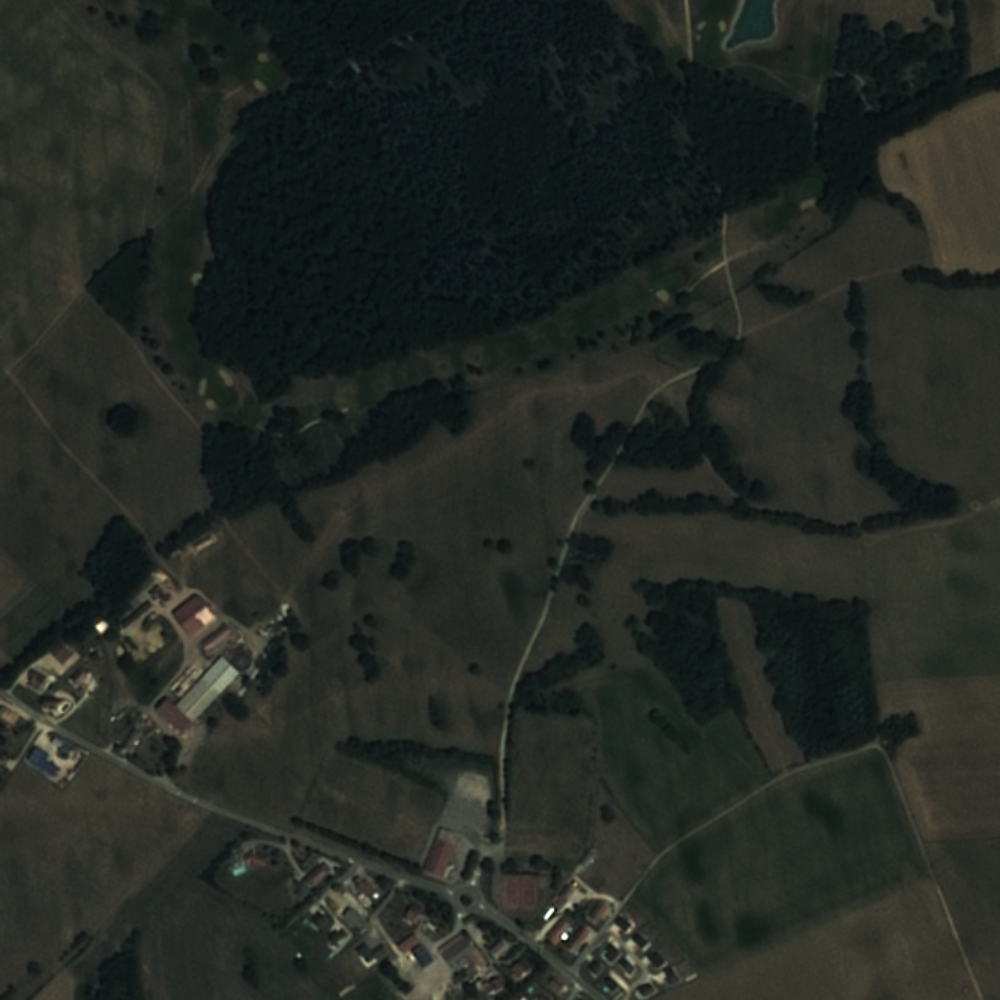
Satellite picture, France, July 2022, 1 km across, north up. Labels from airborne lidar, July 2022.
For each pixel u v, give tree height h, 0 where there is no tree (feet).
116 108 0
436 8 63
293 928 0
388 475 0
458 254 94
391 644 0
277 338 44
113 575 55
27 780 0
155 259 52
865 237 0
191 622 0
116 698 0
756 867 0
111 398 0
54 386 0
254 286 83
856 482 0
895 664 0
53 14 0
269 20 81
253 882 0
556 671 47
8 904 0
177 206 0
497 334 51
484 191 44
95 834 0
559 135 34
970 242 0
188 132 0
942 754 0
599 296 0
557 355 0
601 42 73
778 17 0
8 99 0
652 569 0
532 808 0
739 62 0
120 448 0
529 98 36
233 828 0
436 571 0
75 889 0
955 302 0
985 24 0
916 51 44
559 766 0
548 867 35
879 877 0
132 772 0
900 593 0
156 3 0
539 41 73
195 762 0
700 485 0
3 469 0
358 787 0
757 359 0
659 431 23
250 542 0
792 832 0
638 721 0
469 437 0
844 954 0
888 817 0
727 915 0
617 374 0
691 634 45
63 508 0
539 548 0
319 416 0
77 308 0
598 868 0
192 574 0
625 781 0
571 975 0
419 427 59
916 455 0
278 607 0
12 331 0
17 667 29
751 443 0
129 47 0
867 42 64
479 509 0
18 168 0
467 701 0
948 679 0
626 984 0
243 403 0
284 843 26
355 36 51
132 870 0
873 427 37
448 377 0
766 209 0
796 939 0
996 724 0
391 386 0
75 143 0
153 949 0
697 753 0
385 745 30
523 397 0
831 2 0
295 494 36
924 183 0
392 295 66
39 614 0
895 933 0
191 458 0
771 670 34
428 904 31
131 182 0
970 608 0
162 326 0
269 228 79
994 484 0
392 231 66
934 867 0
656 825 0
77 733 0
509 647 0
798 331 0
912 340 0
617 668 33
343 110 58
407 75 0
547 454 0
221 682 0
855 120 60
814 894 0
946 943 0
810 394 0
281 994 0
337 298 66
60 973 0
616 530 0
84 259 0
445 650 0
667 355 0
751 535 0
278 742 0
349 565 51
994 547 0
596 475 35
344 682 0
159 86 0
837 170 51
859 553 0
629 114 46
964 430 0
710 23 0
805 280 0
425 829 0
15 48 0
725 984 0
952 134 0
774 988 0
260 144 63
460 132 92
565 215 37
